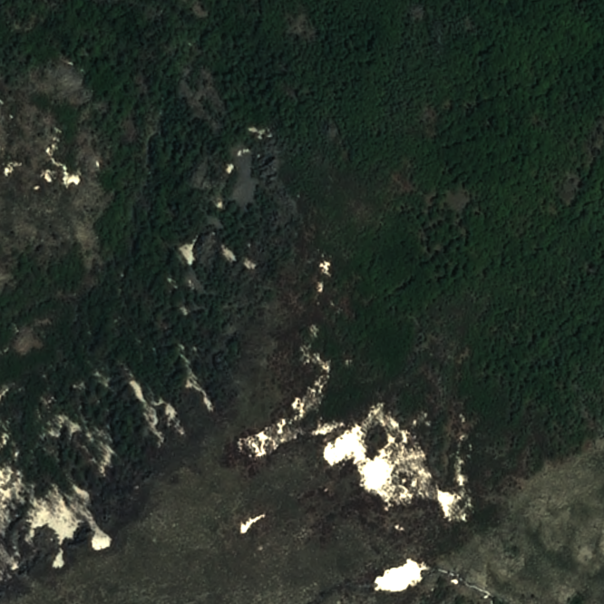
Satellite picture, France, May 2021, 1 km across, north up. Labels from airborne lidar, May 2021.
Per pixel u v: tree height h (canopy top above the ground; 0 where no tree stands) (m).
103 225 21
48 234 0
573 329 17
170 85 12
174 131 16
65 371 14
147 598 0
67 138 7
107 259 9
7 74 10
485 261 17
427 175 14
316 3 12
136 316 12
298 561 0
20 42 17
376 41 26
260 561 0
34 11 12
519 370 25
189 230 18
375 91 13
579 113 18
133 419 13
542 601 0
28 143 0
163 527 0
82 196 0
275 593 0
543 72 18
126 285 12
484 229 15
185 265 13
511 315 13
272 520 0
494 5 17
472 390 10
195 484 0
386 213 9
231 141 11
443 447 8
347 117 14
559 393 15
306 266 0
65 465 14
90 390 16
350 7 14
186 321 15
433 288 22
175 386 16
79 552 0
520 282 15
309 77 15
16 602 0
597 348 15
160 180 6
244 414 0
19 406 9
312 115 13
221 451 0
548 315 15
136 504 0
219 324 10
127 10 17
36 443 10
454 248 25
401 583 0
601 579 0
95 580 0
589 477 0
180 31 17
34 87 0
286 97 15
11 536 10
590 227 13
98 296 11
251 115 6
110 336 20
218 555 0
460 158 25
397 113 8
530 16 22
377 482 0
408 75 7
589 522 0
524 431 9
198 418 0
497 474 7
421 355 8
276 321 0
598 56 20
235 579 0
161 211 18
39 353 8
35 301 11
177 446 0
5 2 23
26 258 15
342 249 8
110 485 15
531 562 0
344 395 8
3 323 9
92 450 7
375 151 13
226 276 8
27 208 0
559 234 21
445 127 14
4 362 9
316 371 7
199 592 0
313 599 0
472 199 8
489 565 0
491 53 23
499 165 20
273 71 18
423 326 9
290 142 7
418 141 11
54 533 0
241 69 19
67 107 8
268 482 0
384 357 8
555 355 15
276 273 7
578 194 9
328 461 0
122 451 17
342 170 7
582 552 0
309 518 0
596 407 8
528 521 0
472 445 6
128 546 0
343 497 0
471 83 16
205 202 6
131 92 27
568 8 21
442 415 8
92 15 16
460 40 12
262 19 18
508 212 18
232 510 0
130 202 15
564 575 0
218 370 8
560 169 9
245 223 11
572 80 23
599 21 19
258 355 0
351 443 0
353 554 0
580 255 17
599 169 22
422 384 6
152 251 18
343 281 10
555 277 15
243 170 0
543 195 15
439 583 7
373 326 11
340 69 20
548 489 0
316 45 12
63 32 9
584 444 9
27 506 6
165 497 0
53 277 22
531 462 8
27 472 8
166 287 13
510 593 0
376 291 7
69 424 11
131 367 11
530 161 24
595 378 9
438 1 17
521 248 20
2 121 0
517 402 9
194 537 0
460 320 9
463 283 21
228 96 9
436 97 10
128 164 15
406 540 0
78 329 12
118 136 8
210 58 10
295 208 0
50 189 0
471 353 6
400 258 21
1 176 0
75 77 0
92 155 0
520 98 28
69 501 8
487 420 6
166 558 0
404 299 18
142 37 18
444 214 19
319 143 6
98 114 16
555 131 15
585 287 17
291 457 0
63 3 9
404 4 9
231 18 12
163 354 17
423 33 11
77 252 6
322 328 7
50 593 0
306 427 8
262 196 9
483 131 22
